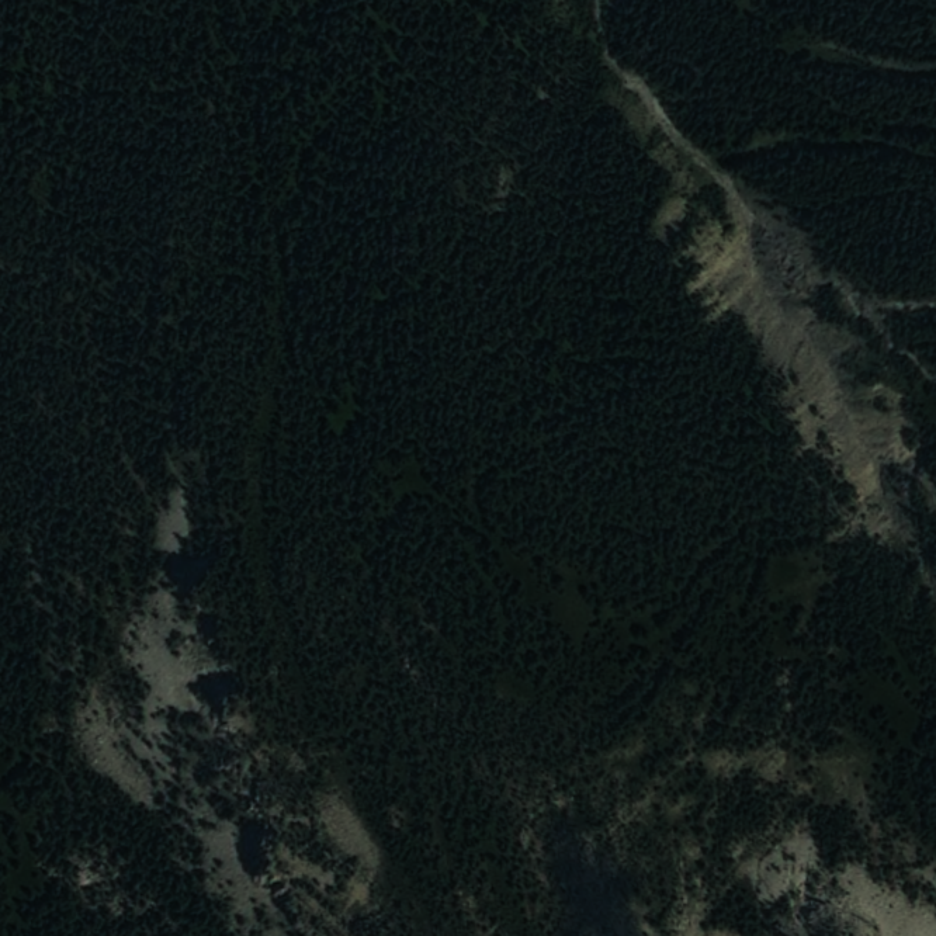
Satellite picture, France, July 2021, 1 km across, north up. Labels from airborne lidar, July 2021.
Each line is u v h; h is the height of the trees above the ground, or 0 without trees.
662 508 19
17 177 26
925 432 10
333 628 12
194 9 30
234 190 18
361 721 10
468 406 17
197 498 15
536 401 16
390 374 9
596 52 9
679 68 24
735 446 24
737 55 24
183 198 21
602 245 27
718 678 12
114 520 13
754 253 0
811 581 0
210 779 9
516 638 19
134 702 8
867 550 19
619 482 22
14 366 19
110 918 17
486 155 19
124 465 20
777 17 19
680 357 26
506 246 30
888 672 14
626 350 31
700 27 21
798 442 13
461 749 8
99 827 17
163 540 0
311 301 21
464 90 21
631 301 12
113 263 19
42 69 27
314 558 16
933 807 16
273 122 24
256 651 13
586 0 10
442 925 6
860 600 21
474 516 19
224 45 11
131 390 16
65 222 27
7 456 19
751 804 12
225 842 0
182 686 0
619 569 17
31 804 20
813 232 23
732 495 23
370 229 28
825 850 11
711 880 9
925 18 10
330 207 29
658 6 27
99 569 20
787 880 0
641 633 23
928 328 18
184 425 16
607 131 23
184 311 19
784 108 24
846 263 18
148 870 17
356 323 16
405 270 27
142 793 0
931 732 16
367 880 0
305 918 6
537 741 7
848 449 0
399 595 20
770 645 13
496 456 18
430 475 21
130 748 6
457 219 23
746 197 0
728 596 21
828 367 0
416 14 25
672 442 20
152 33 22
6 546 0
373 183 25
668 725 8
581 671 7
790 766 0
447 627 20
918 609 17
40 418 12
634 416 25
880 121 11
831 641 21
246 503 19
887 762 8
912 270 26
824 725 9
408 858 7
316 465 14
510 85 14
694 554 22
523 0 6
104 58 26
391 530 19
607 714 11
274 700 13
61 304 13
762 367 7
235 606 12
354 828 0
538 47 22
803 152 14
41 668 19
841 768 0
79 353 22
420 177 24
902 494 8
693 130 16
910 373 12
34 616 24
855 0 21
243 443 20
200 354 8
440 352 16
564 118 17
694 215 11
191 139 19
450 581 20
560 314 20
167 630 0
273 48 20
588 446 20
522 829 9
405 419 26
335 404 10
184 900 19
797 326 0
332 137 12
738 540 23
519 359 24
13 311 12
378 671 14
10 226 13
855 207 23
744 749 8
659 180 19
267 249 23
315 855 8
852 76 18
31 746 26
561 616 0
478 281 23
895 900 0
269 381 7
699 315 25
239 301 30
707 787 8
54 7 30
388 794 8
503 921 7
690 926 0
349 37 28
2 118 12
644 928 0
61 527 16
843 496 14
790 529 18
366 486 21
